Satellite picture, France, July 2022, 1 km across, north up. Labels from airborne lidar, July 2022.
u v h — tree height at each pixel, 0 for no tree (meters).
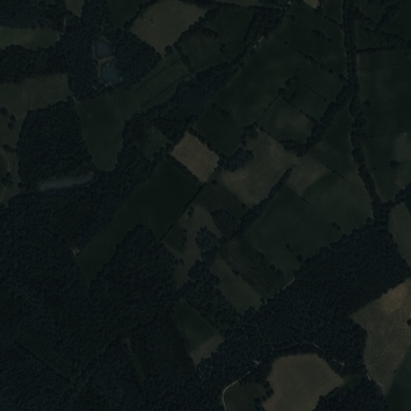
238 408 0
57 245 26
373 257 22
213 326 7
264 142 0
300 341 26
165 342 21
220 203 0
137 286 23
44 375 21
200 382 32
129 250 28
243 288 0
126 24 13
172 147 16
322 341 23
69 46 22
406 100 0
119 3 0
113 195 27
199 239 14
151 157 0
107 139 0
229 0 0
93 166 10
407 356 0
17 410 25
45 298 28
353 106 21
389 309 0
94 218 7
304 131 0
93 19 36
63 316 18
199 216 0
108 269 10
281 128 0
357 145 15
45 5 18
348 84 18
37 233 21
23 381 22
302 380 0
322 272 23
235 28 0
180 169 15
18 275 28
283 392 0
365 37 0
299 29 0
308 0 0
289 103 11
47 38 0
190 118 17
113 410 24
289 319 23
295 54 0
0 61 20
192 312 0
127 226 0
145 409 16
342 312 19
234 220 20
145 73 21
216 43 0
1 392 24
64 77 0
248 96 0
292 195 0
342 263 21
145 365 8
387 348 0
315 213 0
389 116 0
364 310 0
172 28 0
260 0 18
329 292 19
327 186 0
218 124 0
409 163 0
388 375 0
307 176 0
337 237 0
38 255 23
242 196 0
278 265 0
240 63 17
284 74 0
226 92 0
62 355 19
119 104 0
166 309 12
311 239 0
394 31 0
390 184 0
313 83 0
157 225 0
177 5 0
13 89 0
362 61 0
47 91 0
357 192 0
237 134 0
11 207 19
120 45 25
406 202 20
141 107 0
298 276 22
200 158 0
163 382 20
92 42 25
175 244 0
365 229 15
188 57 11
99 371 28
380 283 24
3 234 13
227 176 0
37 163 19
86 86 23
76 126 16
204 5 20
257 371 23
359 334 22
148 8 13
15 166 0
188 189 0
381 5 19
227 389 0
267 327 22
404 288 0
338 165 0
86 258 0
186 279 0
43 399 31
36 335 27
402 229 0
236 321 6
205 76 23
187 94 22
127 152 23
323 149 0
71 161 8
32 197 22
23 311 24
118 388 24
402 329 0
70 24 0
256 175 0
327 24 0
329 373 0
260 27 13
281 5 7
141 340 7
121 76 7
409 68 0
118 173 22
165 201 0
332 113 18
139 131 7
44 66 16
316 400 0
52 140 18
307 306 21
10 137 0
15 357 22
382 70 0
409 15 0
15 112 0
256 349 26
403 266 19
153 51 22
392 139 0
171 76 0
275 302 14
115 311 18
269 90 0
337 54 0
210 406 20
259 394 0
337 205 0
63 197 29
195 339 0
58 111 20
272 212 0
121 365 18
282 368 0
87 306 26
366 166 17
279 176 0
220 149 0
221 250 7
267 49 0
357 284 19
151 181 0
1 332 26
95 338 22
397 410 0
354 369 20
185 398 25
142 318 22
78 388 21
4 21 22
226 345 15
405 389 0
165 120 13
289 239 0
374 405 17
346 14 17
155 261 24
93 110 0
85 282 25
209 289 10
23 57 19
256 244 0
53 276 22
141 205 0
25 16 23
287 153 0
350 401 23
